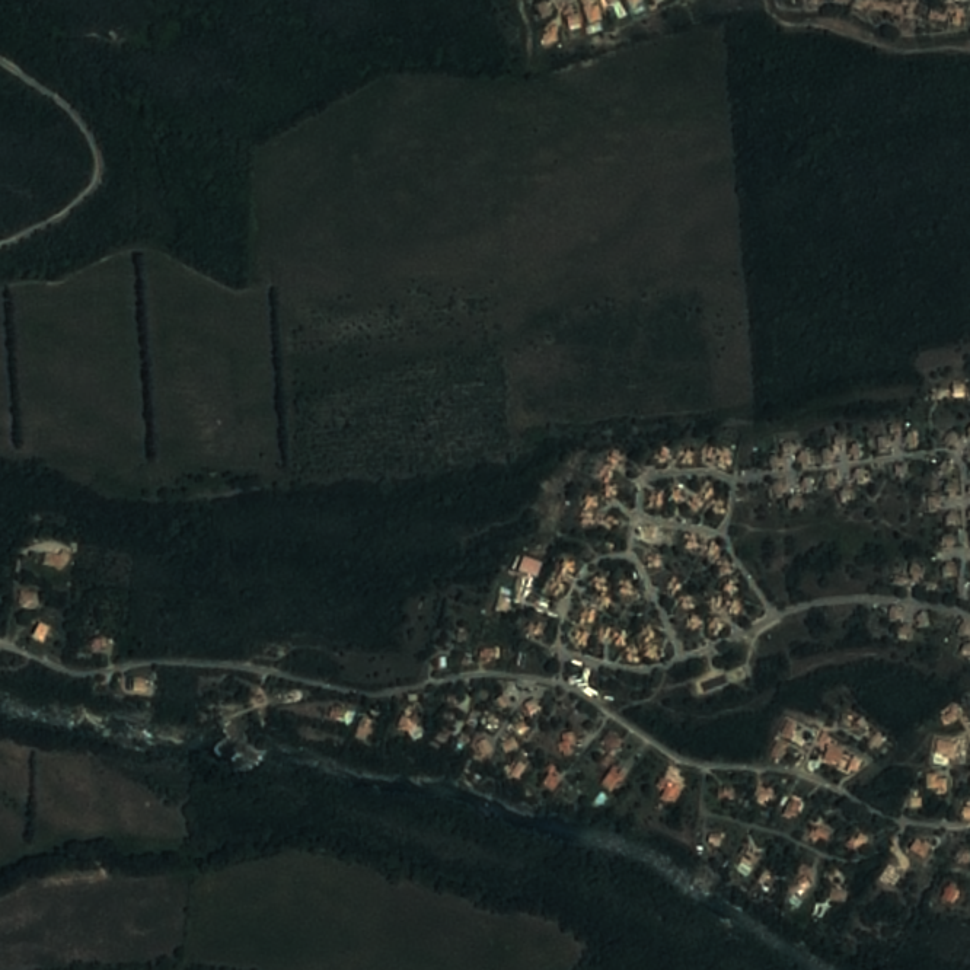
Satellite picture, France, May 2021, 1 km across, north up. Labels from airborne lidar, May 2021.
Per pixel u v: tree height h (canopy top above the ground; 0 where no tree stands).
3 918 0
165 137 9
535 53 0
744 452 0
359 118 0
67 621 8
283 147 0
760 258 6
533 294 0
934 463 7
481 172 0
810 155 7
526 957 0
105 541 6
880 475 7
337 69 6
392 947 0
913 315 7
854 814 12
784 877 5
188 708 7
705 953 7
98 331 0
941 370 6
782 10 0
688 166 0
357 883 0
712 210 0
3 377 0
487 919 0
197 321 0
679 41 0
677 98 0
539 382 0
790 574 7
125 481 0
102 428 0
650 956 10
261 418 0
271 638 6
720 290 0
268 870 0
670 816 6
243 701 7
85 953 0
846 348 7
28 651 0
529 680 0
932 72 6
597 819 12
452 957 0
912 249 6
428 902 0
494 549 8
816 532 0
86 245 7
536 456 7
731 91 6
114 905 0
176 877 0
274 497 10
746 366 0
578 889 6
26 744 7
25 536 10
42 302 0
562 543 6
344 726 7
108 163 6
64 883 0
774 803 6
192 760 15
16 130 6
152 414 18
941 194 5
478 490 11
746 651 0
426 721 9
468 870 6
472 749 8
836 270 7
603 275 0
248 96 6
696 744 6
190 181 8
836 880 8
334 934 0
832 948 7
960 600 9
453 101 0
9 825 0
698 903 7
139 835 0
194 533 8
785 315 7
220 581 9
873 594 6
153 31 9
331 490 11
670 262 0
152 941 0
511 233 0
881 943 7
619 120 0
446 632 6
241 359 0
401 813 6
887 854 9
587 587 6
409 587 6
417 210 0
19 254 7
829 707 6
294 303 0
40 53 6
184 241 6
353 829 6
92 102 11
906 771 6
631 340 0
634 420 7
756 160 8
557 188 0
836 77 8
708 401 0
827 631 7
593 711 8
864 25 6
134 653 9
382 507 9
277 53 7
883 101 8
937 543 6
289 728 9
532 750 6
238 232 6
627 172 0
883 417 6
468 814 8
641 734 0
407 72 7
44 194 8
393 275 0
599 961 12
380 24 7
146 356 17
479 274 0
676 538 0
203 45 6
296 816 6
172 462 0
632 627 6
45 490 7
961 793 9
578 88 0
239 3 6
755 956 7
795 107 6
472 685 7
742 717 6
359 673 0
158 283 0
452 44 9
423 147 0
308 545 8
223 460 0
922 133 6
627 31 0
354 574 8
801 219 6
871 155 6
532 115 0
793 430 0
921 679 6
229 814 6
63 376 0
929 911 9
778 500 6
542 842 7
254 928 0
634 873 8
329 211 0
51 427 0
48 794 0
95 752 9
